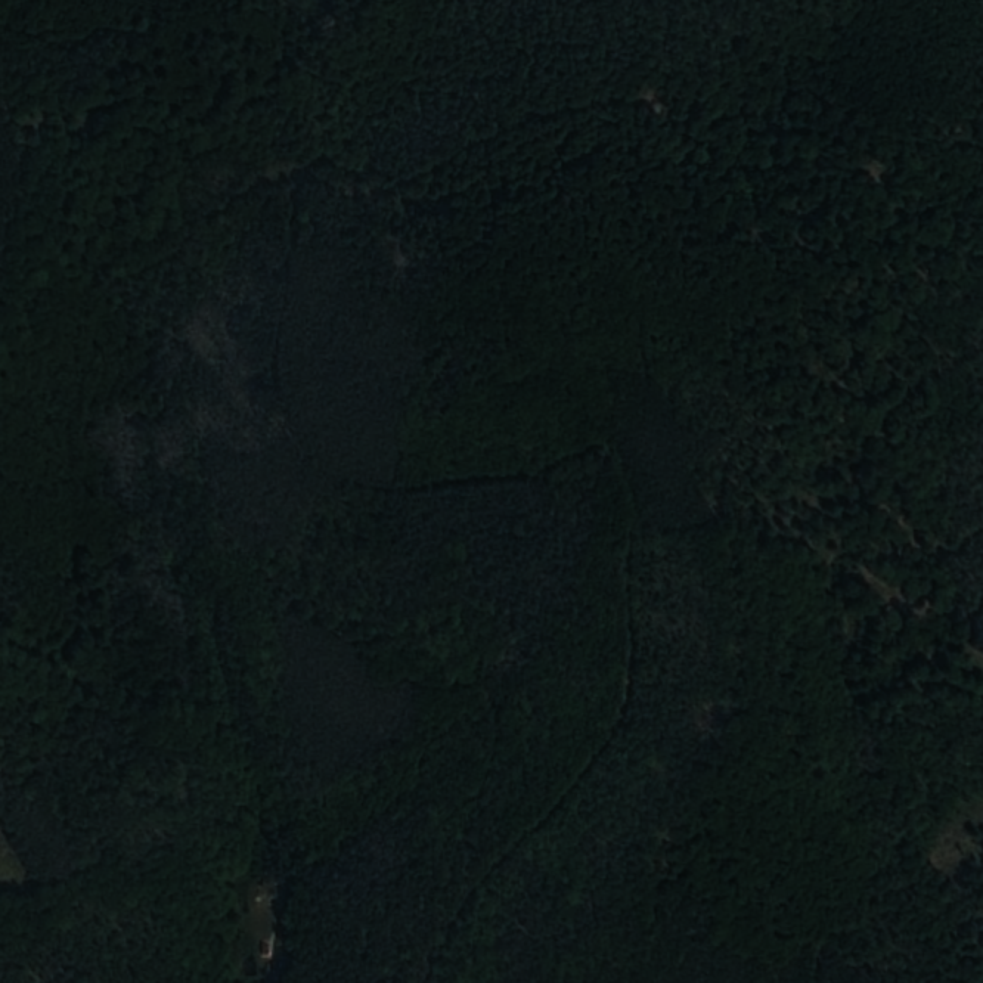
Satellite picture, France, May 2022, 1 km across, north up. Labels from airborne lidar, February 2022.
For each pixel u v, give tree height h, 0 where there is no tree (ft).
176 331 92
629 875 71
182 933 92
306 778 70
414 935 74
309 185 81
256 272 81
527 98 90
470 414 82
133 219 111
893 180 77
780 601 91
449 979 73
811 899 88
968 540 41
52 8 88
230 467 81
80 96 92
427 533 100
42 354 59
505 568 109
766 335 104
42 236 104
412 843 67
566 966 73
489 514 89
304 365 85
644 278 99
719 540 65
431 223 74
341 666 67
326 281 95
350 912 80
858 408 109
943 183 85
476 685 78
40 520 64
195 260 73
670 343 92
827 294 103
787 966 60
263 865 104
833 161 86
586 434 92
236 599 84
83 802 92
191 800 72
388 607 83
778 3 106
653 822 84
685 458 59
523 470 73
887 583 110
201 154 74
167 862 89
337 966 79
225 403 64
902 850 85
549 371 102
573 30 96
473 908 76
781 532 97
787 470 107
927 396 97
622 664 67
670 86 88
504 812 77
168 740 95
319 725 77
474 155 89
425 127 97
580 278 91
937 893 83
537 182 89
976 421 73
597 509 99
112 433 114
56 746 94
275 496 86
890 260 80
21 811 85
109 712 107
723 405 77
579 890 67
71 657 118
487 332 96
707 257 91
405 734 76
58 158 69
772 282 87
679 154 93
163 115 111
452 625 82
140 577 124
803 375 96
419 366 58
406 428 68
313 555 78
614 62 105
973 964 80
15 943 82
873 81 100
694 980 59
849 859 93
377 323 78
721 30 89
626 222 107
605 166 90
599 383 62
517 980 87
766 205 98
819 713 73
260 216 73
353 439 84
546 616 85
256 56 89
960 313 74
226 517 87
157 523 72
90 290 41
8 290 94
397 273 85
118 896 82
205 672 89
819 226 90
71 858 78
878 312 101
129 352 50
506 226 97
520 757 78
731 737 81
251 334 64
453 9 107
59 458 54
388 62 100
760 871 81
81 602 104
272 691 77
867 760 86
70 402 57
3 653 121
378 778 95
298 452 66
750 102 116
